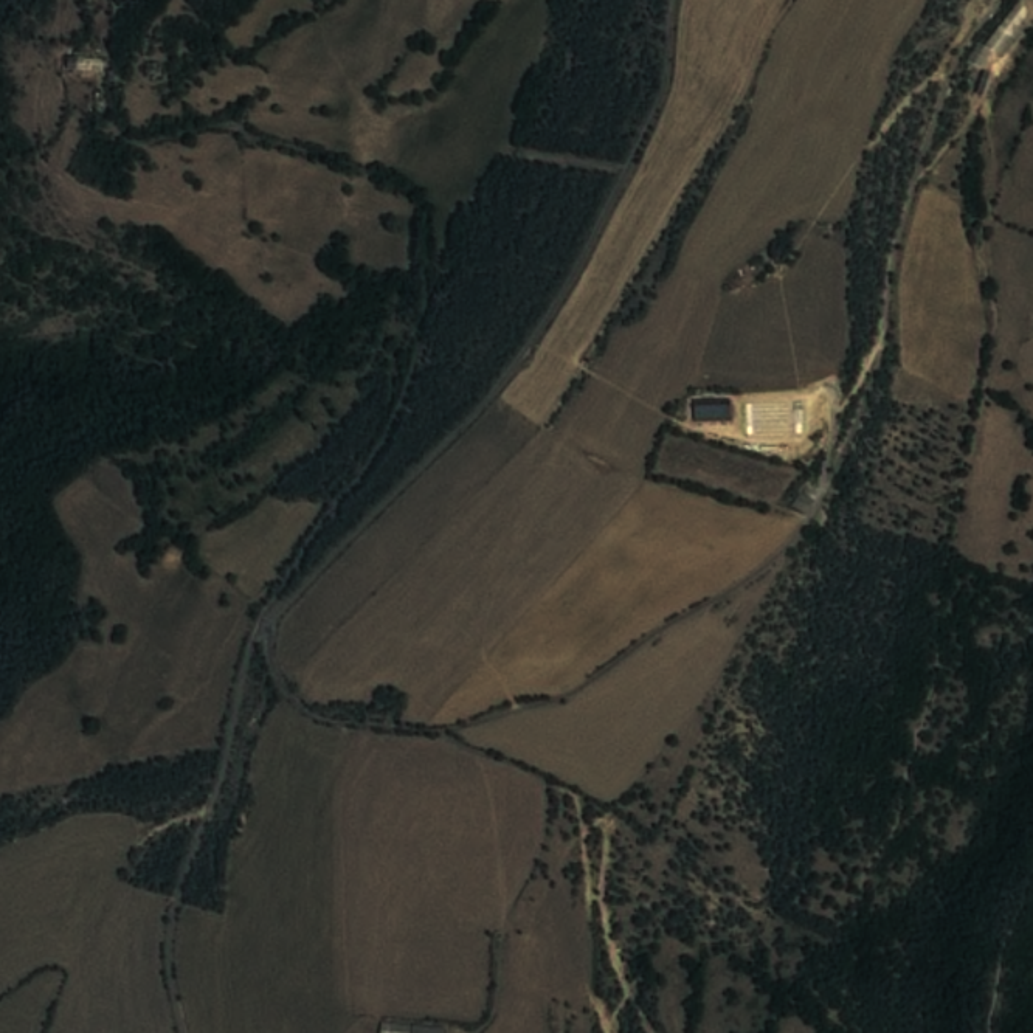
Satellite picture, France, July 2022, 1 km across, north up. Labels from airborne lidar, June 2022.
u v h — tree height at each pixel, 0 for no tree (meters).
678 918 15
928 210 0
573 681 0
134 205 0
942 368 0
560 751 0
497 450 0
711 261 0
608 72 12
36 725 0
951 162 0
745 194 0
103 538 0
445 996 0
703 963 7
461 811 0
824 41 0
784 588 9
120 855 0
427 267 17
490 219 10
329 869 0
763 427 0
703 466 0
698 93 0
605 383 0
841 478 11
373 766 0
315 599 0
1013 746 10
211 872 9
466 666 0
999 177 0
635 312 9
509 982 0
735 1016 0
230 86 0
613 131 11
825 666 6
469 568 0
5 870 0
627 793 6
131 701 0
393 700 19
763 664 10
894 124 7
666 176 0
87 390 16
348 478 6
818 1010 16
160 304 10
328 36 0
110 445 11
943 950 13
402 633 0
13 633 13
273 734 0
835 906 9
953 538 12
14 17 12
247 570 0
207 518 0
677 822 7
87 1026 0
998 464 0
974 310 0
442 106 0
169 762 12
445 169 0
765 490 0
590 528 0
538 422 0
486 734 0
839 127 0
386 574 0
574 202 11
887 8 0
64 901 0
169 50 12
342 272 16
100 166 8
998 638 6
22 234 7
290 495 13
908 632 7
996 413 0
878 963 13
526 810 0
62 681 0
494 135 0
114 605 0
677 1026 0
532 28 0
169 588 0
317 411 0
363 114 0
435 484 0
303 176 0
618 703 0
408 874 0
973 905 14
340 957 0
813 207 0
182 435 12
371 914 0
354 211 0
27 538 10
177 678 0
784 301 0
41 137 7
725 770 9
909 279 0
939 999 17
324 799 0
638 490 0
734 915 7
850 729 14
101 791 8
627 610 0
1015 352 0
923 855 11
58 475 12
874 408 12
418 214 10
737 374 0
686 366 0
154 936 0
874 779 5
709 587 0
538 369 0
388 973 0
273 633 0
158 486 14
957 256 0
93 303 12
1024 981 9
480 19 16
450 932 0
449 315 17
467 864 0
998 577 9
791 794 10
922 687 9
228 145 0
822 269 0
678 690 0
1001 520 0
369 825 0
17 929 0
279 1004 0
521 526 0
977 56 0
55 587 11
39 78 0
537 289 9
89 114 6
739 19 0
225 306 10
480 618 0
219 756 11
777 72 0
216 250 0
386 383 8
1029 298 0
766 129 0
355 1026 0
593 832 9
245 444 8
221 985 0
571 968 0
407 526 0
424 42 10
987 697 12
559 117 14
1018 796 12
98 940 0
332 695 0
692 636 0
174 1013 0
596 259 0
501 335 8
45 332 0
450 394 12
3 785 0
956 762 12
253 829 0
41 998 0
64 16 0
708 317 0
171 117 9
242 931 0
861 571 13
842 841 11
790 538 0
